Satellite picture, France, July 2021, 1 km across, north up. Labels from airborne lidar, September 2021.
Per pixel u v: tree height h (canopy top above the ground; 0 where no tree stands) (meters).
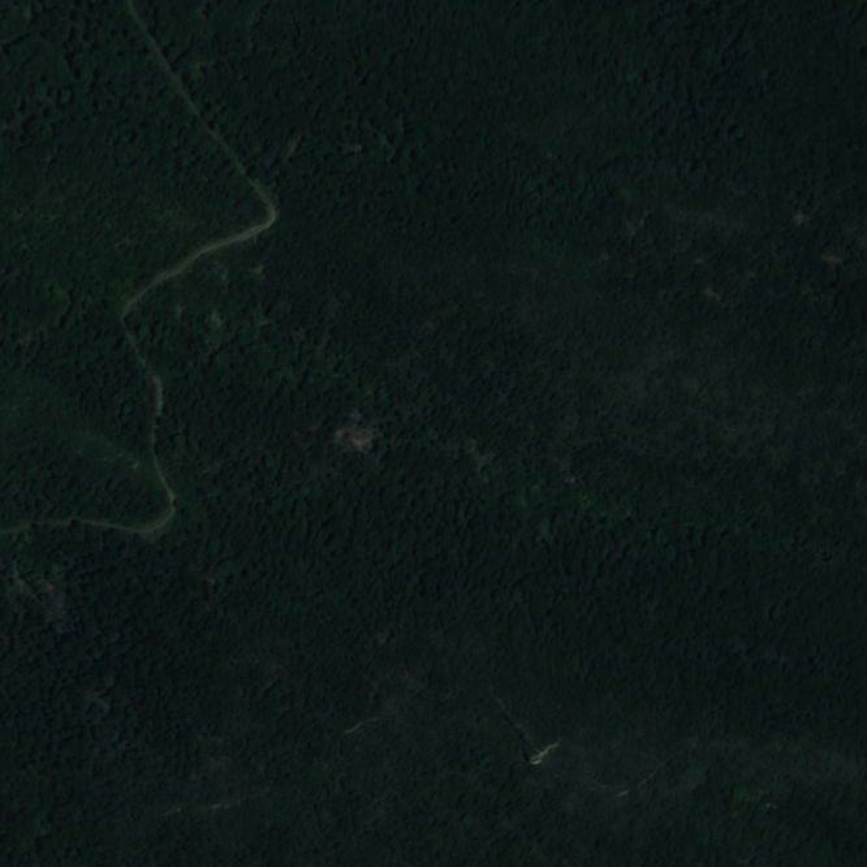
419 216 29
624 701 11
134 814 10
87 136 31
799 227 26
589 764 6
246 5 32
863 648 22
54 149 30
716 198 11
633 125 21
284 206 14
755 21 24
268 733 16
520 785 19
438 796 12
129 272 25
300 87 30
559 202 26
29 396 22
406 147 32
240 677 10
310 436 20
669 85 26
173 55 38
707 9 12
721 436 8
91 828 10
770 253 19
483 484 27
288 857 19
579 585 26
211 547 28
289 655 11
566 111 9
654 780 9
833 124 31
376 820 10
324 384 27
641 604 17
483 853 7
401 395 20
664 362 8
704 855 16
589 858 9
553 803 14
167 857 10
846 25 26
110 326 22
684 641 22
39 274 36
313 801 21
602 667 22
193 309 15
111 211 15
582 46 22
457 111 27
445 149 29
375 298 13
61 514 23
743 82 31
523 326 11
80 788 19
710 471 10
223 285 16
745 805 10
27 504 25
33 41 35
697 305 16
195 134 38
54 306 34
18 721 28
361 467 18
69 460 17
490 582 26
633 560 27
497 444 21
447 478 23
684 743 6
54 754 21
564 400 10
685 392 11
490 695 8
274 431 19
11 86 32
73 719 19
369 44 28
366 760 10
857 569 29
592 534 29
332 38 30
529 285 10
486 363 13
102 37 39
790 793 8
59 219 13
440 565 19
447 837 11
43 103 36
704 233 16
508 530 21
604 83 17
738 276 24
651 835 15
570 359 10
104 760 14
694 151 18
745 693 26
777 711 22
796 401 12
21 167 18
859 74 25
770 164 13
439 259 7
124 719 16
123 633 27
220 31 32
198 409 17
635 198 6
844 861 19
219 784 8
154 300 21
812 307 23
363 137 30
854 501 9
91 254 21
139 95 37
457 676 8
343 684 12
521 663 10
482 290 13
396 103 26
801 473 16
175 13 29
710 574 25
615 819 9
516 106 15
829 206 20
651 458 18
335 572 23
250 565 14
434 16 22
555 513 16
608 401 12
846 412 19
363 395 22
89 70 9
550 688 12
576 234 21
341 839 10
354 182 26
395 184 33
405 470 21
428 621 13
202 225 10
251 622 10
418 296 17
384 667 8
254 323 17
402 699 8
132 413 22
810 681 25
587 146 19
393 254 9
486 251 15
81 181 12
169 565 9
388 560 29
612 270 14
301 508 34
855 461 18
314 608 23
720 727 9
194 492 10
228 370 28
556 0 32
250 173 18
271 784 18
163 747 20
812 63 22
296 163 29
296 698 24
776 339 21
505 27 12
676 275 26
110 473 11
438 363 15
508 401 10
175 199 10
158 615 23
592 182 27
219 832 8
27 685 9
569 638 18
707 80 13
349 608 17
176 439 30
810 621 24
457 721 11
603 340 8
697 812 15
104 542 15
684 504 18
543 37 22
